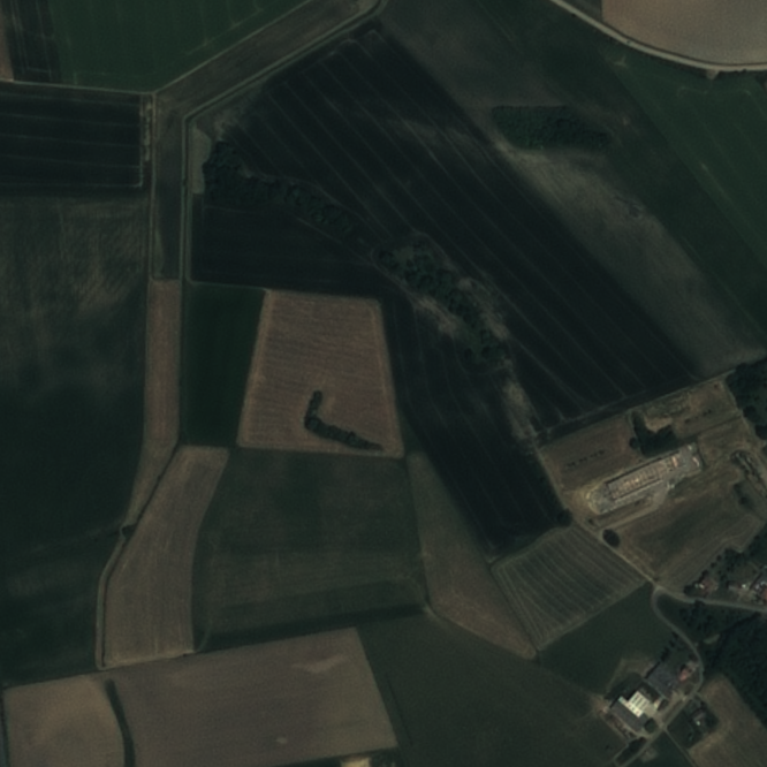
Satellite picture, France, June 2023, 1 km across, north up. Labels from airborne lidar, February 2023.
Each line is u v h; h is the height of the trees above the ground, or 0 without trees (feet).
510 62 0
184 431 0
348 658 0
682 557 0
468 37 0
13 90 0
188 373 0
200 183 0
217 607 0
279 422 0
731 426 0
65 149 0
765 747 0
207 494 0
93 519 0
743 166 0
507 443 0
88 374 0
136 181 0
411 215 0
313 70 0
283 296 0
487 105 0
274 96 0
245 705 0
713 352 0
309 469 0
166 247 0
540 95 0
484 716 0
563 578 0
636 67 0
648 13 0
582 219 0
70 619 0
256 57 0
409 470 0
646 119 0
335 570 0
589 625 0
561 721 0
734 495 0
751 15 0
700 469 0
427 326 0
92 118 0
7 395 0
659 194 0
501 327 0
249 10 0
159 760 0
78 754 0
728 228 0
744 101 0
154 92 0
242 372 0
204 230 0
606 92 0
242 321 0
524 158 0
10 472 0
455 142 0
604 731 0
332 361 0
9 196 0
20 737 0
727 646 61
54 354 0
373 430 0
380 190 0
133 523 0
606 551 0
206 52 0
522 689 0
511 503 0
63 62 0
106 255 0
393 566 0
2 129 0
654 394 0
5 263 0
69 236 0
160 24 0
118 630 0
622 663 0
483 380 0
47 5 0
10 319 0
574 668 0
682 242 0
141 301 0
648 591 0
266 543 0
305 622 0
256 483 0
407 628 0
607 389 0
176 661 0
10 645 0
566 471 0
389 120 0
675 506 0
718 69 0
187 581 0
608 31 0
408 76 0
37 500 0
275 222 0
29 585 0
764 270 0
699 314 0
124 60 0
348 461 0
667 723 0
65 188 0
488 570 0
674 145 0
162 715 0
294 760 0
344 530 0
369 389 0
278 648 0
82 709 0
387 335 0
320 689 0
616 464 0
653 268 0
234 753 0
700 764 0
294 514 0
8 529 0
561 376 0
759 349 0
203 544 0
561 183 0
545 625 0
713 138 0
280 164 0
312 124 0
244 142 0
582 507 0
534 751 0
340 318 0
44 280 0
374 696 0
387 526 0
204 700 0
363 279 0
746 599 0
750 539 0
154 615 0
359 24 0
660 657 0
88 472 0
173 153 0
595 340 0
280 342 0
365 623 0
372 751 0
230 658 0
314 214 26
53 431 0
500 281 0
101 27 0
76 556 0
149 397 0
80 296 0
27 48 0
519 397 0
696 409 0
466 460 0
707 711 28
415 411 0
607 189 0
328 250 0
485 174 0
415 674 0
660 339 0
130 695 0
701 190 0
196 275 0
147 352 0
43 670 0
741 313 0
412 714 0
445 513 0
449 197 0
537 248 0
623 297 0
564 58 0
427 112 0
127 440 0
